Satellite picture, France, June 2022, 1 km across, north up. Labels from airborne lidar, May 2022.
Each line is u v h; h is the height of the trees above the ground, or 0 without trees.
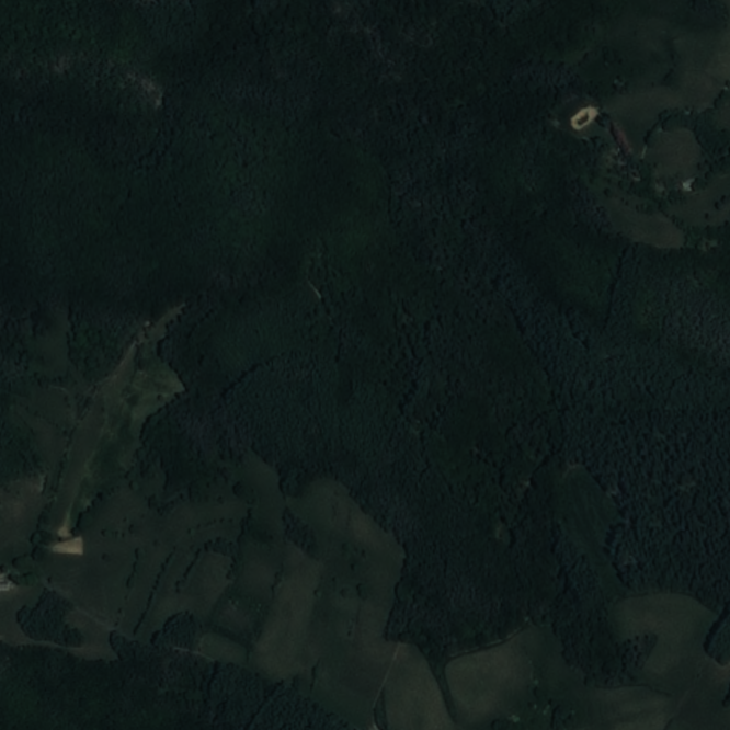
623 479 15
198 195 15
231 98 18
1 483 13
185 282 18
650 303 9
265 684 16
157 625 0
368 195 27
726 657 26
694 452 26
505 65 12
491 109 15
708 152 11
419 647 10
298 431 23
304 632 0
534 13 10
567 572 30
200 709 9
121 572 0
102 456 0
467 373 25
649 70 0
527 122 12
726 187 0
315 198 26
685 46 0
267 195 18
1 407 12
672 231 0
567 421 25
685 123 24
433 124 22
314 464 17
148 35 21
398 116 6
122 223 30
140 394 0
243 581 0
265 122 25
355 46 6
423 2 6
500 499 7
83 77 19
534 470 26
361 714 0
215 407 16
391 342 19
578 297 17
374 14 15
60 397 0
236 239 13
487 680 0
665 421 26
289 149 25
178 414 17
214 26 14
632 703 0
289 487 23
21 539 0
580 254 10
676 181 0
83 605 0
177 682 18
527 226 14
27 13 18
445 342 19
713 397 34
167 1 27
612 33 0
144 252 18
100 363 6
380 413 24
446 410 22
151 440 11
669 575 27
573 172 12
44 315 21
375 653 0
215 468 6
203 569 0
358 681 0
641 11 0
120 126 21
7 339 11
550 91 20
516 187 9
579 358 37
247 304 20
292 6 8
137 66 13
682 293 15
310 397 20
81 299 22
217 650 0
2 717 23
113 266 25
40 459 12
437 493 23
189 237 16
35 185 22
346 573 0
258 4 29
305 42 10
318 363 22
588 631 19
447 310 15
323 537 0
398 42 11
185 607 0
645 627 0
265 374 21
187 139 21
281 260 23
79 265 25
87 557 0
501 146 12
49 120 18
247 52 23
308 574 0
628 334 32
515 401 19
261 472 0
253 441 19
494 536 26
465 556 22
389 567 0
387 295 14
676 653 0
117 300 21
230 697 26
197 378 13
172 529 0
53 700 16
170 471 14
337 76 6
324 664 0
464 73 12
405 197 12
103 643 0
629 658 12
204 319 20
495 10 21
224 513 0
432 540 29
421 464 28
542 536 21
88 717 20
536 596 23
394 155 19
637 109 0
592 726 0
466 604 24
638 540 31
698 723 0
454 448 23
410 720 0
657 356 36
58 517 0
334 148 25
